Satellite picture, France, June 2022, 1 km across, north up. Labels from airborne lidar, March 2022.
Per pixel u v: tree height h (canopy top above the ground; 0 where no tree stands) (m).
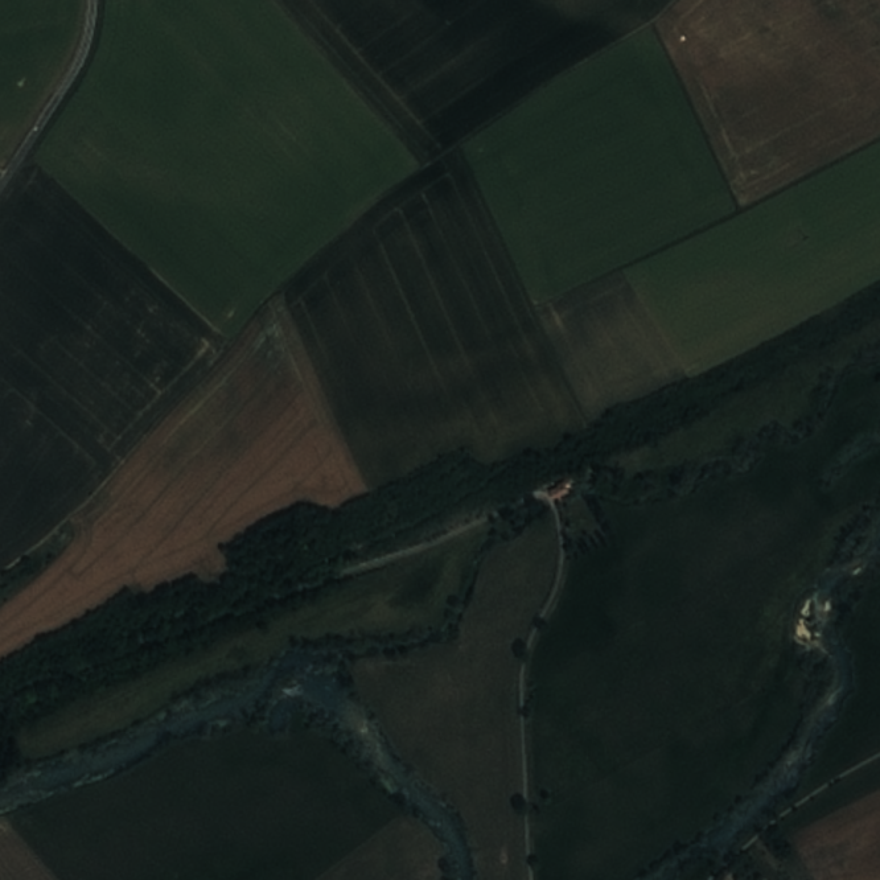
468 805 0
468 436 0
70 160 0
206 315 0
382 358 0
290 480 0
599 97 0
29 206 0
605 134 0
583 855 0
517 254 0
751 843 0
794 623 0
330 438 0
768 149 0
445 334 0
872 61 0
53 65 0
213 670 0
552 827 0
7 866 0
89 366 0
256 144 0
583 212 0
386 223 0
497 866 0
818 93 0
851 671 0
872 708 0
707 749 0
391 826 0
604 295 0
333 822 0
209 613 16
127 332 0
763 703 0
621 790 0
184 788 0
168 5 0
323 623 0
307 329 0
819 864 0
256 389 0
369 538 7
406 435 0
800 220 0
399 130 0
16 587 0
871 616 0
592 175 0
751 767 0
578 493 0
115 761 0
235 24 0
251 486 0
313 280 0
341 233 0
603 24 0
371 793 0
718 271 0
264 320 0
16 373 0
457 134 0
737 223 0
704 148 0
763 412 0
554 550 0
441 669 0
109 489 0
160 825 0
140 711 0
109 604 6
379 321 0
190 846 0
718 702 0
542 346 0
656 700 0
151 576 0
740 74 0
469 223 0
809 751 0
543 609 0
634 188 0
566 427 0
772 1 0
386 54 0
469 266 0
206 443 0
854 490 0
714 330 0
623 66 0
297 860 0
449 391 0
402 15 0
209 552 0
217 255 0
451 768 0
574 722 0
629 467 0
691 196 0
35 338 0
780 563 0
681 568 0
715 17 0
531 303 0
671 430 6
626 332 0
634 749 0
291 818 0
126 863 0
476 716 0
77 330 0
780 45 0
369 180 0
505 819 0
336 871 0
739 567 0
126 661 16
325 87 0
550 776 0
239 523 0
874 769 0
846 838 0
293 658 0
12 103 0
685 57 0
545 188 0
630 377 0
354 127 0
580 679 0
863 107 0
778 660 0
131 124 0
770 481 0
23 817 0
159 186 0
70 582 0
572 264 0
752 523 0
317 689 0
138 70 0
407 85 0
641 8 0
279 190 0
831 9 0
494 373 0
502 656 0
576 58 0
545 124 0
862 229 0
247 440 0
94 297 0
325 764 0
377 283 0
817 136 0
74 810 0
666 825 0
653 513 0
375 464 0
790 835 0
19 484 0
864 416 0
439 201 0
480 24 0
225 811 0
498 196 0
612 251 0
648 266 0
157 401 0
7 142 0
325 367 0
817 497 0
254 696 0
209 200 0
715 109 0
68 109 0
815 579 0
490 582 0
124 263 0
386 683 0
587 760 0
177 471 0
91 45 0
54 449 0
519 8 0
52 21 0
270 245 0
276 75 0
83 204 0
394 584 0
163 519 0
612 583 0
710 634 0
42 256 0
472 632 0
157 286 0
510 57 0
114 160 0
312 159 0
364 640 17
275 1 0
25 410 0
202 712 0
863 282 0
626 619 0
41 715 18
